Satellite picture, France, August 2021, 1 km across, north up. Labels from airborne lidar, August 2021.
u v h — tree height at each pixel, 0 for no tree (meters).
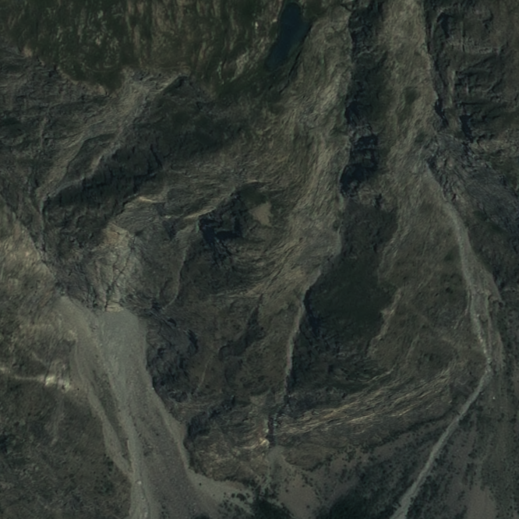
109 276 0
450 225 0
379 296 0
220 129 0
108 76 0
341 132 0
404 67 0
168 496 0
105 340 0
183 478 0
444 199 0
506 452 0
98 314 0
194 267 0
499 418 0
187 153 0
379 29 0
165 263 0
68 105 0
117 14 0
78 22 0
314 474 0
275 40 0
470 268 0
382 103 0
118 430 0
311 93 0
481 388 0
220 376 0
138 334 0
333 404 0
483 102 0
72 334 0
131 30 0
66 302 0
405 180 0
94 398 0
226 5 0
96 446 0
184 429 0
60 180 0
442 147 0
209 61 0
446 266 0
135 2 0
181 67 0
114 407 0
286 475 0
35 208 0
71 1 0
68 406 0
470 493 0
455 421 0
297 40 0
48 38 0
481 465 0
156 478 0
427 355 8
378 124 0
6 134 0
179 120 0
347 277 0
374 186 0
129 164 0
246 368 0
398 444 0
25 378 0
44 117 0
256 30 0
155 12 0
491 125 0
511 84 0
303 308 0
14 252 0
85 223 0
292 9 0
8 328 0
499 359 0
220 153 0
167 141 0
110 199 0
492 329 0
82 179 0
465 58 0
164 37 0
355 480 0
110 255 0
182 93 0
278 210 0
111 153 0
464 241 0
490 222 0
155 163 0
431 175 0
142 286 0
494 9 0
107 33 0
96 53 0
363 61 0
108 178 0
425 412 0
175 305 0
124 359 0
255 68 0
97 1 0
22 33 0
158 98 0
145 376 0
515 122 0
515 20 0
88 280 0
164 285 0
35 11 0
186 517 0
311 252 0
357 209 0
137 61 0
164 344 0
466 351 0
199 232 0
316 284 0
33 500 6
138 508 0
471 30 0
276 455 0
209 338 0
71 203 0
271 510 6
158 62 0
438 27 0
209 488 0
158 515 0
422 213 0
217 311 0
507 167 0
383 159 0
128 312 0
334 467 0
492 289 0
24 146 0
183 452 0
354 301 0
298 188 0
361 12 0
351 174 0
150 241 0
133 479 0
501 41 0
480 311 0
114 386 0
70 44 0
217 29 0
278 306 0
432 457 0
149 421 0
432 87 0
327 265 0
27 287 0
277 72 0
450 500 0
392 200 0
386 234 0
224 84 0
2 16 0
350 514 7
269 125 0
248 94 0
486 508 0
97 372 0
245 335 0
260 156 0
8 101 0
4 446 8
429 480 9
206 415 0
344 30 0
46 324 0
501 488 0
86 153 0
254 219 0
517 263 0
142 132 0
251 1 0
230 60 0
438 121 0
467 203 0
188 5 0
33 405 0
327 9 0
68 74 0
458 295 0
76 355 0
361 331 0
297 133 0
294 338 0
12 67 0
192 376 0
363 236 0
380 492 6
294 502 0
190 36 0
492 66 0
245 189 0
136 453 0
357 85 0
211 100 0
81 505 11
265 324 0
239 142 0
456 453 0
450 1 0
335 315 0
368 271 0
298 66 0
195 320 0
